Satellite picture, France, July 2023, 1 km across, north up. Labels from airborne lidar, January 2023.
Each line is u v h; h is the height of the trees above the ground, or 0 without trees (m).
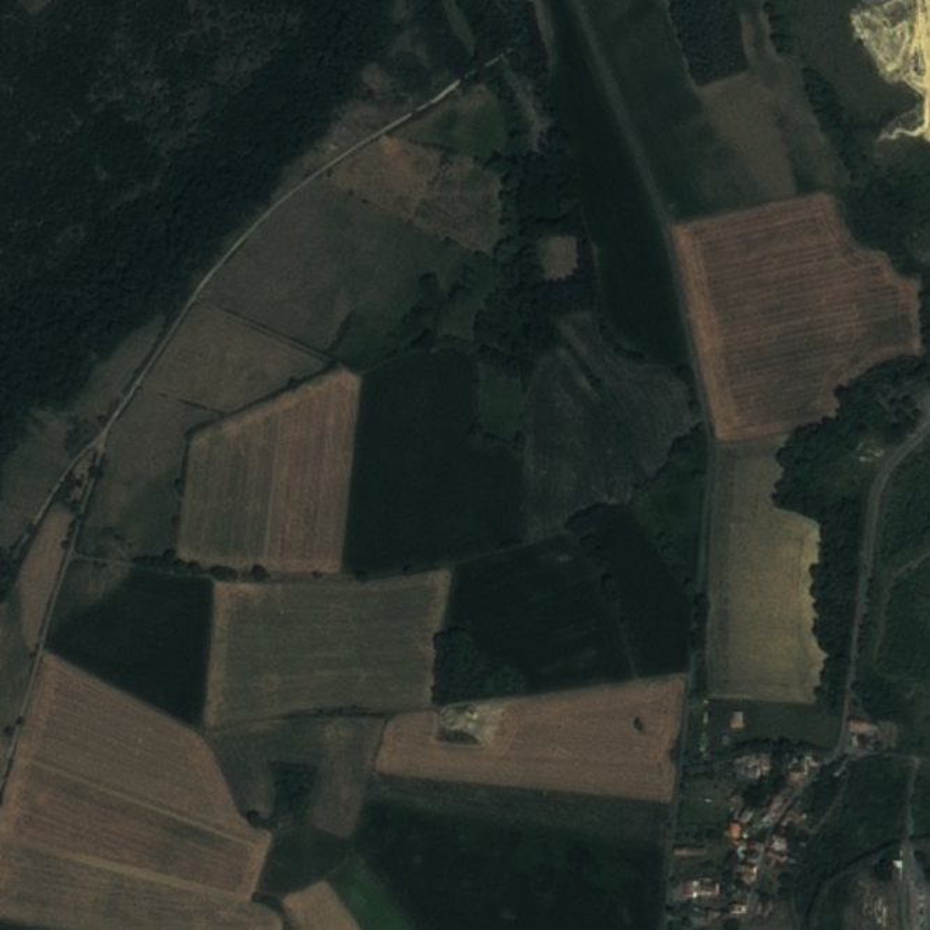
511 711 0
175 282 8
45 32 6
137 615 0
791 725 0
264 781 0
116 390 0
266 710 0
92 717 0
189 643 0
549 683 0
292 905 0
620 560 0
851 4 0
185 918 0
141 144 9
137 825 0
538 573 0
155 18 11
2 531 0
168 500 0
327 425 0
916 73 0
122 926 0
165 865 0
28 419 5
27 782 0
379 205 0
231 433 0
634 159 0
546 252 0
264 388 0
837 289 0
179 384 0
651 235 0
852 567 7
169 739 0
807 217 0
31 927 0
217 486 0
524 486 0
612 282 0
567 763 0
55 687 0
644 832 0
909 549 9
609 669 0
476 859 0
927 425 0
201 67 15
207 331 0
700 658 7
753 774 0
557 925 0
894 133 0
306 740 0
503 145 0
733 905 0
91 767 0
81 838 0
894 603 8
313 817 0
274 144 17
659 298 0
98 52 12
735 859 10
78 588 0
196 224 24
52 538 0
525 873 0
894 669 9
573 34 0
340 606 0
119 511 0
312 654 0
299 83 24
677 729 0
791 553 0
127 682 0
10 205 14
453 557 0
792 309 0
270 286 0
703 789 0
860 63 0
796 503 8
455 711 0
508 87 30
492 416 0
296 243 0
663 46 0
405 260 0
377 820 0
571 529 7
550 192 30
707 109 0
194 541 0
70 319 27
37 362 24
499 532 0
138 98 16
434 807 0
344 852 0
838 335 0
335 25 24
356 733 0
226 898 0
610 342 14
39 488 0
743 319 0
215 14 10
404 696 0
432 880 0
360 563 0
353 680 0
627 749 0
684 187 0
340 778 0
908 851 0
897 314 0
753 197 0
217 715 0
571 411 0
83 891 0
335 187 0
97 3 11
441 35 13
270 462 0
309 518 0
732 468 0
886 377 8
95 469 8
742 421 0
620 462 0
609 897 0
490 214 0
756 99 0
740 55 9
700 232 0
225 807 0
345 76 14
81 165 12
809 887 6
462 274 0
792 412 0
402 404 0
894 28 0
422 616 0
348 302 0
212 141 12
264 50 11
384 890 0
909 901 0
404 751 0
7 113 8
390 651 0
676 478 0
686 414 0
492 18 13
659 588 0
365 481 0
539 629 0
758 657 0
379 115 0
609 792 0
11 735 10
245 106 18
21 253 13
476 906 0
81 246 10
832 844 7
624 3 0
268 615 0
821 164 0
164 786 0
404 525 0
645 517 0
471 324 0
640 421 0
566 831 0
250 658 0
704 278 0
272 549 0
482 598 0
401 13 0
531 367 27
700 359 0
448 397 0
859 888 0
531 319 29
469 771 0
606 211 0
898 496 6
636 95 0
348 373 0
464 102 0
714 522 0
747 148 0
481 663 8
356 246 0
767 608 0
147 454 0
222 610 0
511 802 0
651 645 0
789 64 0
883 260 0
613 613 0
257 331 0
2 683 0
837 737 0
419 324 0
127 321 10
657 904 0
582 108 0
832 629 12
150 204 21
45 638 0
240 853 0
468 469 0
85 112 13
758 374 0
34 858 0
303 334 0
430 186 0
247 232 0
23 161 10
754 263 0
